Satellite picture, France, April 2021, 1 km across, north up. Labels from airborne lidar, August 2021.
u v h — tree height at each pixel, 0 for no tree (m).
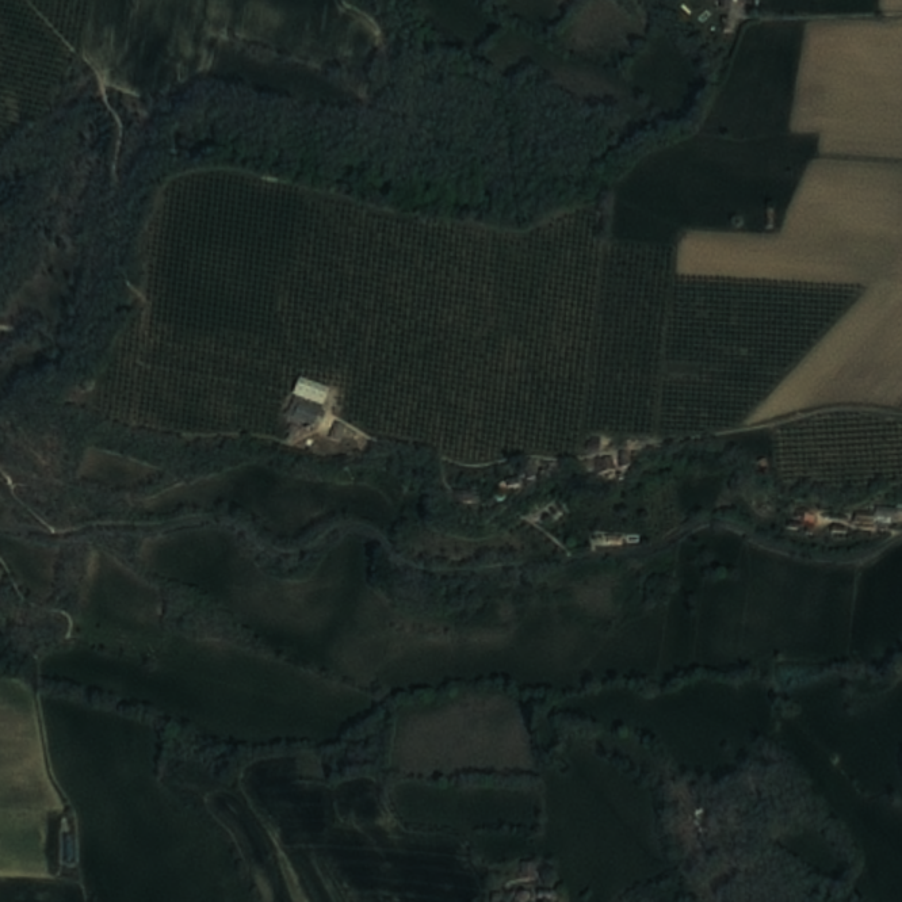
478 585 17
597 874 0
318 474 17
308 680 0
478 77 19
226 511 17
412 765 0
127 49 0
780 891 14
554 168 24
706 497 0
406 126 19
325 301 6
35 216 8
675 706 0
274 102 24
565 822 0
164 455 16
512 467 21
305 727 0
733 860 14
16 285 15
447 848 0
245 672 0
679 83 0
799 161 0
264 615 0
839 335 0
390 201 11
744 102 0
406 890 0
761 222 0
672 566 6
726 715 0
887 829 0
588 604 0
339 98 0
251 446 13
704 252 0
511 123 21
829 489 15
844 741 0
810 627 0
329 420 0
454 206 15
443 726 0
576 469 16
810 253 0
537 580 22
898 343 0
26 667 20
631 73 11
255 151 24
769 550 0
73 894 0
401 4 17
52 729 0
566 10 12
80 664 0
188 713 0
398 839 0
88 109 10
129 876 0
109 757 0
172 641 0
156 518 12
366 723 20
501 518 15
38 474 10
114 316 16
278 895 0
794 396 0
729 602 0
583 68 0
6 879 0
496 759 0
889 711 0
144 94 0
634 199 0
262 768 0
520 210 23
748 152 0
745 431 0
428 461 18
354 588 0
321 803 0
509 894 7
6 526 0
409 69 21
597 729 15
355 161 19
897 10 0
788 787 22
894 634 0
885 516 0
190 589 11
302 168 16
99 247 15
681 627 0
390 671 0
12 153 17
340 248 5
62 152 14
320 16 0
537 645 0
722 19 0
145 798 0
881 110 0
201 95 21
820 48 0
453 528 21
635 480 14
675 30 20
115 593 0
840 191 0
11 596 18
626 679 14
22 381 16
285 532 0
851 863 20
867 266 0
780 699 17
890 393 0
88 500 13
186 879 0
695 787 13
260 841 0
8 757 0
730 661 0
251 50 15
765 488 22
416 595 28
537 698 15
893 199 0
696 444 8
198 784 0
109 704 18
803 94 0
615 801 0
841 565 0
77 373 16
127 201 17
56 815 0
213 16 0
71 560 15
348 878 0
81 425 20
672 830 11
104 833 0
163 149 18
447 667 0
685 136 11
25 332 10
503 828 11
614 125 16
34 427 15
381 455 13
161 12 0
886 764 0
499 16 18
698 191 0
